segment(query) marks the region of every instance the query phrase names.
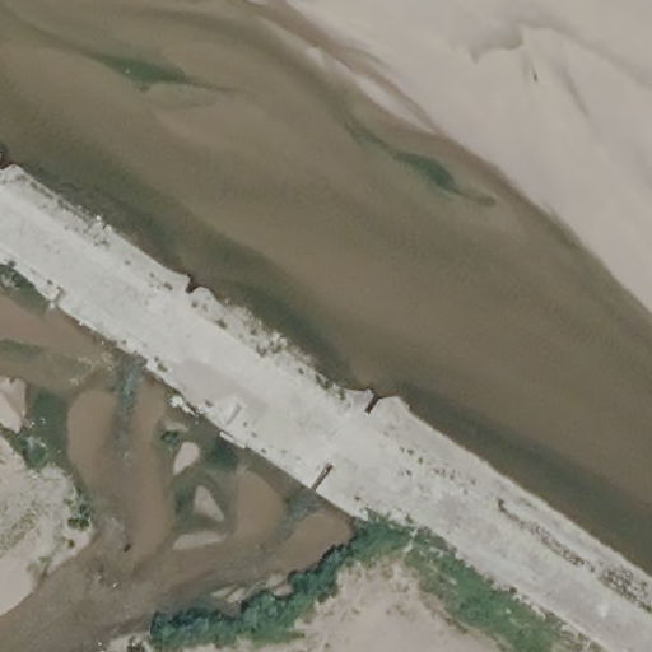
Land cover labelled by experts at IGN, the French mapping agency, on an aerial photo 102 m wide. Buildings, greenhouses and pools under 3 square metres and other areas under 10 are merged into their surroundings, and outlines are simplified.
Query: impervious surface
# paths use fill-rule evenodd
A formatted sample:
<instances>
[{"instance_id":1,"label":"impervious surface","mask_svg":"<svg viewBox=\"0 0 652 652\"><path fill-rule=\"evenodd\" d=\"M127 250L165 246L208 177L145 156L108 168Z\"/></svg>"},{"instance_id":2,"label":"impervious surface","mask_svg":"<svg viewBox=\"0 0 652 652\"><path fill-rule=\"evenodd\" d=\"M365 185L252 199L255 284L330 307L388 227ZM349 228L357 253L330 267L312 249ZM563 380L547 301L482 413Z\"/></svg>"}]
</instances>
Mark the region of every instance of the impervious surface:
<instances>
[{"instance_id":1,"label":"impervious surface","mask_svg":"<svg viewBox=\"0 0 652 652\"><path fill-rule=\"evenodd\" d=\"M288 351L285 336L267 334L260 318L252 318L242 308L222 306L209 290L188 293L183 275L148 257L143 250L120 237L110 224L104 224L102 216L84 214L79 206L61 199L56 191L46 188L23 168L0 171L0 260L13 262L15 270L36 288L43 298L48 298L51 308L66 311L79 323L112 339L120 349L140 354L145 359L145 367L158 379L171 385L171 402L176 408L181 408L183 413L204 413L222 430L224 441L257 451L260 456L265 456L267 461L273 461L275 466L295 476L301 484L311 486L323 499L334 502L357 520L367 520L372 512L379 512L400 527L408 527L410 532L402 548L410 555L415 535L423 527L428 527L433 535L443 537L451 548L456 548L458 560L464 560L476 573L494 578L494 588L514 588L517 601L527 604L537 616L548 611L555 614L563 621L565 632L583 634L586 639L596 642L604 652L652 652L652 576L629 563L609 545L591 537L583 527L571 522L565 514L555 512L540 497L525 492L512 479L494 471L471 451L453 443L448 436L438 433L420 418L415 418L400 397L377 400L369 392L354 392L331 385L323 374L318 374L311 367L311 359L306 354L301 354L298 349ZM553 555L545 545L540 545L540 540L535 540L530 532L522 532L520 527L507 522L502 517L507 509L527 522L540 525L553 540L581 555L583 565L571 565L568 560ZM601 576L606 571L624 571L632 578L632 604L601 583Z\"/></svg>"}]
</instances>

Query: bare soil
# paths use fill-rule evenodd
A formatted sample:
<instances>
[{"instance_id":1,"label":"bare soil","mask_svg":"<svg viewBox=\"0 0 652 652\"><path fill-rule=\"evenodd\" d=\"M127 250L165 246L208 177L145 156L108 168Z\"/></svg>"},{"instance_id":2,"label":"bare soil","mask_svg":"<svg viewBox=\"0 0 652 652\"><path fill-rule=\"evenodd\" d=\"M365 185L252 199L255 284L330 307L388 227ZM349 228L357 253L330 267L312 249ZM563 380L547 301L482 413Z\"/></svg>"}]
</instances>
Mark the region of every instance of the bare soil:
<instances>
[{"instance_id":1,"label":"bare soil","mask_svg":"<svg viewBox=\"0 0 652 652\"><path fill-rule=\"evenodd\" d=\"M23 385L10 379L0 382L0 425L18 430L20 418L25 418Z\"/></svg>"},{"instance_id":2,"label":"bare soil","mask_svg":"<svg viewBox=\"0 0 652 652\"><path fill-rule=\"evenodd\" d=\"M418 578L413 576L413 568L405 568L410 555L402 548L392 555L374 558L372 568L367 568L359 560L354 560L354 565L349 568L341 568L336 576L336 593L326 601L318 601L311 616L293 621L295 632L303 632L303 639L262 647L260 642L242 637L229 647L201 644L183 652L497 652L494 639L489 634L484 639L471 639L456 634L453 627L446 624L446 604L430 593L423 593L418 588Z\"/></svg>"},{"instance_id":3,"label":"bare soil","mask_svg":"<svg viewBox=\"0 0 652 652\"><path fill-rule=\"evenodd\" d=\"M387 64L382 74L390 82L395 82L408 97L413 97L433 117L441 132L446 132L479 158L494 163L532 204L537 204L548 214L555 214L583 242L583 247L588 247L606 265L606 270L652 313L652 0L285 0L293 10L298 10L323 31L331 31L336 38L354 41L357 46L379 56Z\"/></svg>"},{"instance_id":4,"label":"bare soil","mask_svg":"<svg viewBox=\"0 0 652 652\"><path fill-rule=\"evenodd\" d=\"M53 571L66 558L79 555L94 530L76 530L69 525L69 517L79 509L79 504L87 502L69 481L69 476L53 466L28 469L13 446L5 446L0 451L0 609L15 609L33 591L38 573Z\"/></svg>"},{"instance_id":5,"label":"bare soil","mask_svg":"<svg viewBox=\"0 0 652 652\"><path fill-rule=\"evenodd\" d=\"M216 616L227 611L229 604L239 604L242 599L267 588L270 593L285 596L290 591L288 578L270 576L267 581L252 583L250 588L214 591L214 599L222 604Z\"/></svg>"},{"instance_id":6,"label":"bare soil","mask_svg":"<svg viewBox=\"0 0 652 652\"><path fill-rule=\"evenodd\" d=\"M125 634L110 642L102 652L158 652L150 642L150 632Z\"/></svg>"}]
</instances>

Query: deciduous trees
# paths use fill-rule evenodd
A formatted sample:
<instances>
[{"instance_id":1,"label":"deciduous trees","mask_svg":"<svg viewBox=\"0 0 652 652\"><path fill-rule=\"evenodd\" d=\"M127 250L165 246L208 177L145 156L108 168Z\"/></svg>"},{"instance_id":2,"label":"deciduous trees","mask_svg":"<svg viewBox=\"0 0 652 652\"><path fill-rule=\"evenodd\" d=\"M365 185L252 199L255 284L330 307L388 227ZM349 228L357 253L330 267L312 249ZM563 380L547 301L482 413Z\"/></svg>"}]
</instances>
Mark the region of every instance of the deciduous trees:
<instances>
[{"instance_id":1,"label":"deciduous trees","mask_svg":"<svg viewBox=\"0 0 652 652\"><path fill-rule=\"evenodd\" d=\"M367 520L357 520L359 540L351 542L351 548L336 550L326 558L326 563L316 563L306 573L290 573L288 578L290 591L285 596L270 593L267 588L242 599L239 604L229 604L227 611L216 616L176 614L171 621L158 619L155 629L150 632L150 642L158 652L183 652L201 644L229 647L242 637L260 642L262 647L303 639L303 632L295 632L293 621L311 616L318 601L326 601L336 593L336 576L341 568L349 568L354 565L354 560L359 560L367 568L372 568L374 558L392 555L402 548L410 532L408 527L400 527L379 512L372 512Z\"/></svg>"}]
</instances>

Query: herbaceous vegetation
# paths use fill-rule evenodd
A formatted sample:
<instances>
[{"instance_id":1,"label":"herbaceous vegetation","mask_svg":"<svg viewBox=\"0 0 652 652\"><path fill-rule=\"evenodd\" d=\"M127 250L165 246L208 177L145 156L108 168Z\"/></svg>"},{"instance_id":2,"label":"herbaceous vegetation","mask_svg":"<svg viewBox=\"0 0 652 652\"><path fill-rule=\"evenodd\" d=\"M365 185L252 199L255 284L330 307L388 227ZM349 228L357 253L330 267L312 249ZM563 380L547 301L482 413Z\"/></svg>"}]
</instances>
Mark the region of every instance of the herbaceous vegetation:
<instances>
[{"instance_id":1,"label":"herbaceous vegetation","mask_svg":"<svg viewBox=\"0 0 652 652\"><path fill-rule=\"evenodd\" d=\"M568 560L571 565L583 565L581 555L553 540L540 525L527 522L507 509L502 517L507 522L520 527L522 532L530 532L535 540L540 540L540 545L545 545L553 555Z\"/></svg>"},{"instance_id":2,"label":"herbaceous vegetation","mask_svg":"<svg viewBox=\"0 0 652 652\"><path fill-rule=\"evenodd\" d=\"M632 604L632 578L624 571L606 571L601 576L601 583Z\"/></svg>"},{"instance_id":3,"label":"herbaceous vegetation","mask_svg":"<svg viewBox=\"0 0 652 652\"><path fill-rule=\"evenodd\" d=\"M537 616L527 604L517 601L514 588L494 588L494 578L476 573L464 560L458 560L456 548L451 548L443 537L433 535L428 527L423 527L415 535L410 555L405 568L413 568L413 576L418 578L418 588L423 593L430 593L446 604L446 624L453 627L456 634L471 639L484 639L489 634L494 639L497 652L604 652L596 642L586 639L583 634L565 632L563 621L555 614L548 611Z\"/></svg>"}]
</instances>

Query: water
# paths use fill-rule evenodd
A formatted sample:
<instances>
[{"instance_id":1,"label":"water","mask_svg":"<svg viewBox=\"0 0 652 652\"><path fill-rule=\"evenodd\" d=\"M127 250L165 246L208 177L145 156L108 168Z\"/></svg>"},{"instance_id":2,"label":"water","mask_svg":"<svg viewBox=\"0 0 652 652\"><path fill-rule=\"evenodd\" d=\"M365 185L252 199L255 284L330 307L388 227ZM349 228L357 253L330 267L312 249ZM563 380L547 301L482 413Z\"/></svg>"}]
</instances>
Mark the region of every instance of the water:
<instances>
[{"instance_id":1,"label":"water","mask_svg":"<svg viewBox=\"0 0 652 652\"><path fill-rule=\"evenodd\" d=\"M288 578L290 573L306 573L316 563L326 563L326 558L336 550L351 548L351 542L359 540L357 520L334 502L323 499L311 486L301 484L295 476L275 466L273 461L267 461L265 456L260 456L257 451L224 441L222 430L204 413L183 413L181 408L176 408L171 402L171 385L158 379L145 367L145 359L140 354L120 349L112 339L79 323L66 311L51 308L48 298L43 298L36 288L31 293L15 293L0 283L0 382L10 379L23 385L25 418L33 420L36 438L46 441L53 466L69 476L69 481L87 502L94 530L79 555L66 558L53 571L38 573L33 591L15 609L0 609L0 652L102 652L110 642L125 634L150 632L155 629L158 619L171 621L176 614L216 616L222 604L214 599L214 591L250 588L252 583L267 581L270 576Z\"/></svg>"},{"instance_id":2,"label":"water","mask_svg":"<svg viewBox=\"0 0 652 652\"><path fill-rule=\"evenodd\" d=\"M46 188L56 191L61 199L79 206L84 214L102 216L104 224L110 224L120 237L143 250L148 257L183 275L188 293L209 290L222 306L242 308L252 318L260 318L267 334L285 336L288 351L298 349L301 354L306 354L311 359L311 367L318 374L323 374L331 385L354 392L369 392L377 400L400 397L415 418L420 418L438 433L448 436L453 443L471 451L494 471L512 479L525 492L540 497L555 512L565 514L571 522L583 527L591 537L609 545L629 563L652 576L652 313L606 270L606 265L588 247L583 247L583 242L555 214L548 214L537 204L532 204L494 163L479 158L446 132L441 132L433 117L413 97L408 97L395 82L390 82L382 74L387 64L379 56L357 46L354 41L336 38L331 31L323 31L298 10L293 10L285 0L0 0L0 171L23 168Z\"/></svg>"}]
</instances>

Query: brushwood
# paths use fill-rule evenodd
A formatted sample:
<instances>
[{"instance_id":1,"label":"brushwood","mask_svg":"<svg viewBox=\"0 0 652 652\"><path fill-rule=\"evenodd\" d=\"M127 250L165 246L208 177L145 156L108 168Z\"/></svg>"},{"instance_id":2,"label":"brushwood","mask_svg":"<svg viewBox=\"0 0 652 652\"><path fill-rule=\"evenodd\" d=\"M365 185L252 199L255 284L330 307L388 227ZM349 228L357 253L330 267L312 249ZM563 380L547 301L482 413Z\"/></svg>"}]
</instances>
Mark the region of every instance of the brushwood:
<instances>
[{"instance_id":1,"label":"brushwood","mask_svg":"<svg viewBox=\"0 0 652 652\"><path fill-rule=\"evenodd\" d=\"M79 504L79 509L69 517L69 525L76 530L94 530L87 502Z\"/></svg>"},{"instance_id":2,"label":"brushwood","mask_svg":"<svg viewBox=\"0 0 652 652\"><path fill-rule=\"evenodd\" d=\"M13 262L0 260L0 283L15 293L31 293L36 288L15 270Z\"/></svg>"},{"instance_id":3,"label":"brushwood","mask_svg":"<svg viewBox=\"0 0 652 652\"><path fill-rule=\"evenodd\" d=\"M36 438L33 420L25 418L20 418L18 430L0 425L0 451L5 446L13 446L28 469L53 466L46 441Z\"/></svg>"}]
</instances>

